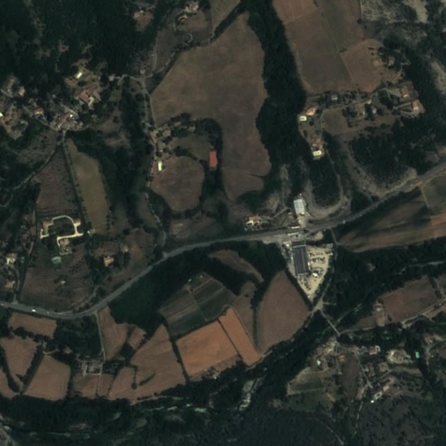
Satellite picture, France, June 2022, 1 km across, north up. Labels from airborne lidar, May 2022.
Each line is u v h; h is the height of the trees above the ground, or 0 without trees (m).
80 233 0
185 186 0
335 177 8
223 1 0
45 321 0
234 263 0
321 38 0
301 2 0
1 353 11
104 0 13
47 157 10
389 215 0
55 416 27
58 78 15
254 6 9
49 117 17
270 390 14
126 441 8
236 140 0
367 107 8
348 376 0
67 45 11
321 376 0
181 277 15
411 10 8
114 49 13
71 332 14
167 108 0
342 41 0
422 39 9
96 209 0
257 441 13
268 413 11
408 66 12
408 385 7
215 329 0
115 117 10
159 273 13
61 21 11
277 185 6
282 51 28
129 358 7
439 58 11
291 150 11
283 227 7
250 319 0
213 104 0
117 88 12
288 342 10
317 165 8
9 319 9
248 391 0
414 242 0
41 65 12
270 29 12
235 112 0
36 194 10
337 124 0
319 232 0
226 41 0
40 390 0
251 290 0
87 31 11
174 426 10
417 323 16
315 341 7
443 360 10
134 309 6
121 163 12
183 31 6
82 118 10
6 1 17
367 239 0
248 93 0
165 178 0
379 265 27
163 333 0
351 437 11
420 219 0
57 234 6
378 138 10
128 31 15
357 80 0
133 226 6
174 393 14
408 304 0
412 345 12
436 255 11
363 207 15
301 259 0
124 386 0
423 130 13
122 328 0
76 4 12
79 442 10
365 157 11
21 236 6
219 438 15
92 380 0
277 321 0
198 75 0
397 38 7
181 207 0
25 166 9
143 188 9
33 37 15
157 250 17
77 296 0
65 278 7
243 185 0
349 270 10
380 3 0
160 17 10
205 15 0
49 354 0
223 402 9
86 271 0
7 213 11
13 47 8
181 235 0
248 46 0
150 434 13
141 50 9
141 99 13
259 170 0
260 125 11
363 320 0
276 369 11
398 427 6
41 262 0
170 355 0
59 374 0
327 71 0
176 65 0
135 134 17
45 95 10
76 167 0
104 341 0
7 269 8
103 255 6
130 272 0
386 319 0
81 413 8
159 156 16
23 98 11
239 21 0
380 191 0
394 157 12
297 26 0
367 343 10
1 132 7
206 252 18
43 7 8
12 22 18
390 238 0
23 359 0
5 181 14
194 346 0
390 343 12
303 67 0
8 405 12
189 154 6
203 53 0
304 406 0
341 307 20
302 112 9
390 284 17
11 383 12
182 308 0
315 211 0
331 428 8
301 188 7
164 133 0
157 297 8
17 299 7
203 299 0
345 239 0
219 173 8
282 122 9
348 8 0
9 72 14
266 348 0
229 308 0
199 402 30
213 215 8
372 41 0
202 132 7
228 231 9
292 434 17
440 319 14
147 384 0
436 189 0
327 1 0
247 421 11
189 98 0
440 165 0
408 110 7
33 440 8
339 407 15
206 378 8
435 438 7
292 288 0
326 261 0
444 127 13
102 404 13
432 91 9
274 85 12
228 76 0
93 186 0
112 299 7
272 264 11
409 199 0
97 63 18
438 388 9
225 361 0
